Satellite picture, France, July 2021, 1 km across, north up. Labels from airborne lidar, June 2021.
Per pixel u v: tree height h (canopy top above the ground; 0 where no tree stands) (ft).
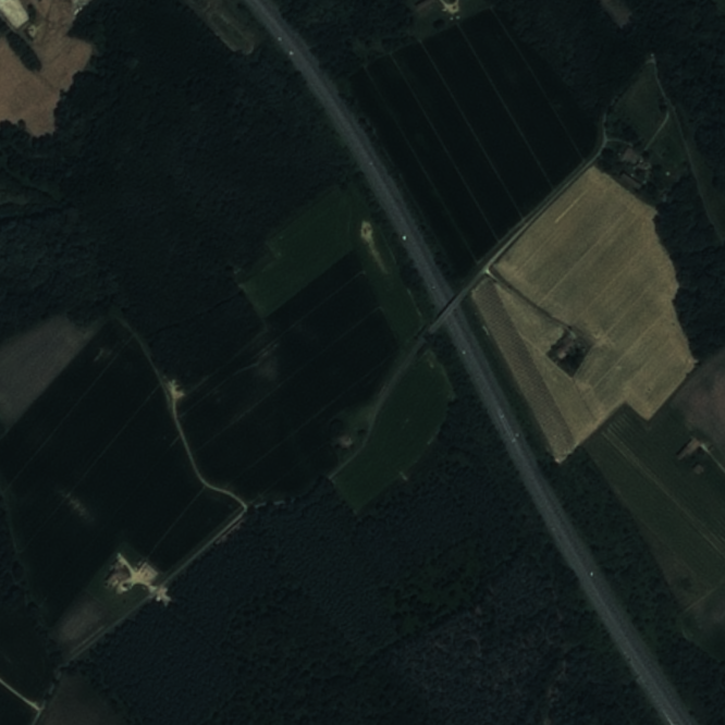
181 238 31
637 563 22
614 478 0
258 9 0
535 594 75
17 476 0
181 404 0
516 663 61
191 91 81
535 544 36
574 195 0
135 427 0
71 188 53
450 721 52
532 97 0
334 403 0
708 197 0
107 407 0
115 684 37
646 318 0
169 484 0
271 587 36
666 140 0
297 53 0
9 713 0
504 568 29
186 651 38
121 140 68
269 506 42
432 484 31
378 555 40
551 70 0
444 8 0
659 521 0
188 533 0
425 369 0
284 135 50
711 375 0
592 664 62
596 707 52
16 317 82
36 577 0
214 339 50
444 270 36
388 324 0
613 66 63
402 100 0
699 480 0
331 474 0
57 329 0
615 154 29
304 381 0
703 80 65
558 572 38
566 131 0
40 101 0
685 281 55
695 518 0
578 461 0
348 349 0
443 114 0
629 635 0
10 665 0
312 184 32
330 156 33
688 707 0
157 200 49
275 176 43
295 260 0
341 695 50
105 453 0
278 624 54
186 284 54
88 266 78
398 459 0
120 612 0
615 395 0
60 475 0
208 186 39
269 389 0
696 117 59
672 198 48
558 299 0
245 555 37
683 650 50
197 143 45
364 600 65
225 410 0
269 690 30
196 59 61
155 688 37
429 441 0
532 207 0
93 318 52
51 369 0
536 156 0
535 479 0
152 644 32
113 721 0
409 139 0
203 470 0
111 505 0
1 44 0
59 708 0
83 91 66
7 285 74
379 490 0
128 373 0
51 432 0
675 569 0
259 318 27
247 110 78
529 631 58
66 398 0
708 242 73
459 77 0
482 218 0
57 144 54
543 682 50
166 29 58
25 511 0
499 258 0
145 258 49
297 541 61
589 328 0
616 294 0
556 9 49
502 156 0
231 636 25
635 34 74
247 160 44
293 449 0
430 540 43
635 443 0
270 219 37
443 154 0
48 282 58
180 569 0
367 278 0
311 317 0
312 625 52
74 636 0
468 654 64
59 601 0
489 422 32
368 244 0
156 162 66
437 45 0
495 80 0
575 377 0
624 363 0
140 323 51
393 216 0
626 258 0
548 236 0
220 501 0
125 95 64
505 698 56
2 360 0
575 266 0
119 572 0
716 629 0
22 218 28
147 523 0
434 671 58
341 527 67
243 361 0
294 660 41
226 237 49
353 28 27
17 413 0
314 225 0
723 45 36
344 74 52
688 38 47
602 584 0
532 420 0
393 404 0
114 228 54
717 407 0
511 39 0
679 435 0
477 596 21
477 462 37
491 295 0
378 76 0
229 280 36
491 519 35
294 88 51
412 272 43
